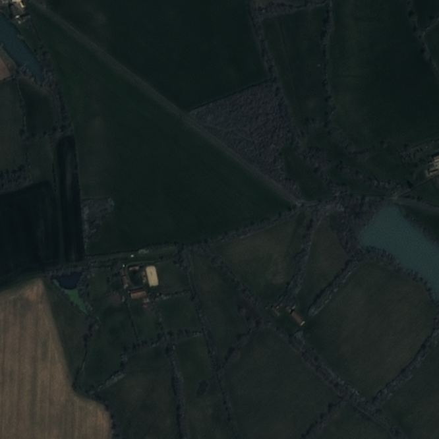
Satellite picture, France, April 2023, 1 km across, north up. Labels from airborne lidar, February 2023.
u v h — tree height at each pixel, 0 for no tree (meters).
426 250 0
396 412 0
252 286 0
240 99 7
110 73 0
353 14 0
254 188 0
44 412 0
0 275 0
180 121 0
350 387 8
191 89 0
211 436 0
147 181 0
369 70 0
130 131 0
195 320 0
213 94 0
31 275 0
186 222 0
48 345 0
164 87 0
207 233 0
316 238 0
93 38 0
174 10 0
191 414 0
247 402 0
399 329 0
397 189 18
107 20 0
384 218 0
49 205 0
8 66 0
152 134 0
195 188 0
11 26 0
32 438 0
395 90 0
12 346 0
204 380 0
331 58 0
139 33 0
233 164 0
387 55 0
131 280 0
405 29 0
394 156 0
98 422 0
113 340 0
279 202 0
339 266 0
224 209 0
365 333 0
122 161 0
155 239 0
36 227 0
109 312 0
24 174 21
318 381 0
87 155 0
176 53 0
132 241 0
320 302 18
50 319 0
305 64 0
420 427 0
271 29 0
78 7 0
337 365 0
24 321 0
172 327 0
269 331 0
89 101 0
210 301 0
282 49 0
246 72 0
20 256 0
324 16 0
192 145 0
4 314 0
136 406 0
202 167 0
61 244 0
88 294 8
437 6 0
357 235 14
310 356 16
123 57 0
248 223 0
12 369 0
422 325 0
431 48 0
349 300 0
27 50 0
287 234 0
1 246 0
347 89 0
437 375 0
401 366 0
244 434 0
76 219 0
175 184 0
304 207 10
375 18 0
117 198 0
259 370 0
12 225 0
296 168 0
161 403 0
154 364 0
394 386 6
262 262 0
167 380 0
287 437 0
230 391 0
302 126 0
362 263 0
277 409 0
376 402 14
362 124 0
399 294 0
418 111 0
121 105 0
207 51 0
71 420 0
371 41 0
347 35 0
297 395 0
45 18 0
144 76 0
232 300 0
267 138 8
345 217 8
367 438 0
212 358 6
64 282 0
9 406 0
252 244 0
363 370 0
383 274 0
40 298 0
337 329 0
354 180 0
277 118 5
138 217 0
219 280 0
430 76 0
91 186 0
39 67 0
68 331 0
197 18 0
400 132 0
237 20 0
